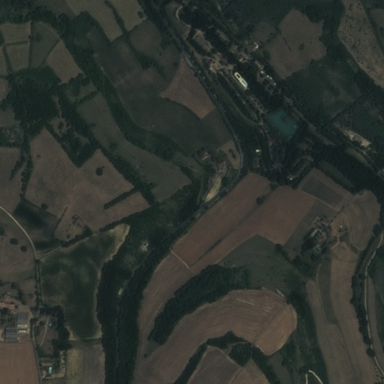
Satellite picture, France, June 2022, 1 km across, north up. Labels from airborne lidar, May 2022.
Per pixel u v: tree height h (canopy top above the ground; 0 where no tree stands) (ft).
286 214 0
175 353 0
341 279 0
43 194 0
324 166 0
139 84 0
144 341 0
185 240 0
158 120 0
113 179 0
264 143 47
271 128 79
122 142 0
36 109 38
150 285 0
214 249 0
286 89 38
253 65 24
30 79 34
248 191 0
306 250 19
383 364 0
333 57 33
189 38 45
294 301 44
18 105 37
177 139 0
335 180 49
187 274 0
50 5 0
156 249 41
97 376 0
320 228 18
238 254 0
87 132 52
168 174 0
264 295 0
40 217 0
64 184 0
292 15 0
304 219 0
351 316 0
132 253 24
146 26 0
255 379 0
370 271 27
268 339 0
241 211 0
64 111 31
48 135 0
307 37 0
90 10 0
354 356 0
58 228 0
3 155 0
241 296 0
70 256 0
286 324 0
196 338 0
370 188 44
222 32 58
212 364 0
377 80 0
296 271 0
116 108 31
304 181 0
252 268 0
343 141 35
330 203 0
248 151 25
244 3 38
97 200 0
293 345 37
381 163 39
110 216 0
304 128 41
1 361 0
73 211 0
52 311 33
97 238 0
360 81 48
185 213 62
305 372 28
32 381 0
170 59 0
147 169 0
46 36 0
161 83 0
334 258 0
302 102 19
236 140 35
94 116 0
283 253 34
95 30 0
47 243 0
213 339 27
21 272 0
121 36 26
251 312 0
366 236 0
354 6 0
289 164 84
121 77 0
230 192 0
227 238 0
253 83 70
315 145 38
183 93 0
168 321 53
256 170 31
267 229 0
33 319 35
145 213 34
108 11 0
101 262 0
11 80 31
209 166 23
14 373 0
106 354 45
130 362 65
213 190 0
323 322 0
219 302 0
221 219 0
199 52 37
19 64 0
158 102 0
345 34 0
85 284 0
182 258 0
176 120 0
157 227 23
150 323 0
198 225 0
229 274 18
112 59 0
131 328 68
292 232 0
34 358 0
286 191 0
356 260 0
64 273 0
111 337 43
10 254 0
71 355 0
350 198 0
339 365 0
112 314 37
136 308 68
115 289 27
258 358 43
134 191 39
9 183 0
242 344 18
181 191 29
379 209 0
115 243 0
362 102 48
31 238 0
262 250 0
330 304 0
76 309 0
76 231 0
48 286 0
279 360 0
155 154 28
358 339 0
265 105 75
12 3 44
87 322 0
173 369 0
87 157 39
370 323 0
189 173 27
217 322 0
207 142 0
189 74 0
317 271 0
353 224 0
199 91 0
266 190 0
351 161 76
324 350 0
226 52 54
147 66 55
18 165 28
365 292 0
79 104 31
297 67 0
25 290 0
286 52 0
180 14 0
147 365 0
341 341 0
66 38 37
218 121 0
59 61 0
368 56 0
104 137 0
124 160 29
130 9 0
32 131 37
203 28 95
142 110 0
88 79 40
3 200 0
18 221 0
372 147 50
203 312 0
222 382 0
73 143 30
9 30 0
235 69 25
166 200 23
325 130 42
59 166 0
